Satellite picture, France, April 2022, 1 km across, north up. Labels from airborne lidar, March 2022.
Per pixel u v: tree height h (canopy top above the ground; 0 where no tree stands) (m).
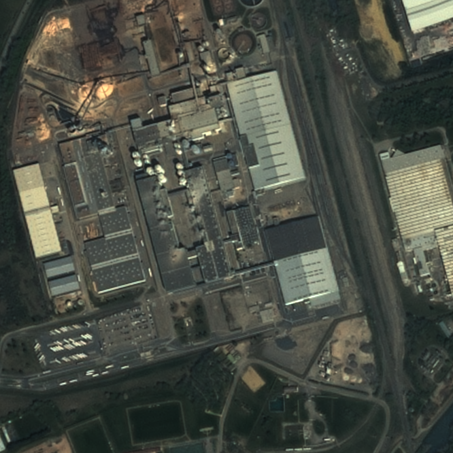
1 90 25
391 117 8
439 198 0
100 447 0
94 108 0
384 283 0
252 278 0
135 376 0
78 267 0
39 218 0
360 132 0
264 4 0
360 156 0
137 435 0
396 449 0
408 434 0
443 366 0
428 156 0
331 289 0
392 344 0
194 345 0
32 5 0
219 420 0
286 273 0
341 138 0
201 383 27
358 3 0
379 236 0
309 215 0
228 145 0
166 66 0
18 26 0
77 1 0
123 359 0
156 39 0
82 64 0
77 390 0
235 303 0
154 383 0
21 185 0
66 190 0
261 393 0
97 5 0
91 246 0
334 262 0
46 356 0
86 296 0
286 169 0
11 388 0
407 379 0
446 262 0
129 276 0
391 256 0
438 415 0
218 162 0
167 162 0
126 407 0
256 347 0
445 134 0
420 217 0
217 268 0
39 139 0
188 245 0
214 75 0
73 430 0
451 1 0
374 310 0
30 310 0
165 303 0
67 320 0
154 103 0
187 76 0
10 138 0
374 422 0
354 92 0
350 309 0
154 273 0
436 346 0
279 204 0
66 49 0
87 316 0
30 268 0
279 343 0
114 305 0
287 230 0
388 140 0
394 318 0
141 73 10
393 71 0
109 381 0
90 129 8
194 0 0
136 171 0
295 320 0
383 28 0
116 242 0
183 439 0
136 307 0
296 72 0
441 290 0
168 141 0
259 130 0
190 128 0
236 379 0
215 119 0
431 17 0
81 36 0
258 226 0
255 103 0
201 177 0
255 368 0
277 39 0
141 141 0
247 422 0
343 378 0
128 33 0
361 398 0
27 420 0
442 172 0
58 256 0
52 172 0
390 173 0
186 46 0
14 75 7
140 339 0
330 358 0
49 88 0
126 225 0
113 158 0
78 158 0
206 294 0
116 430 0
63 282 0
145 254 0
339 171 0
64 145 0
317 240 0
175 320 9
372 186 0
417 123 9
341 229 0
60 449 0
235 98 0
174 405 0
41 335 0
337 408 0
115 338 0
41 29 0
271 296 0
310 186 0
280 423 0
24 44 11
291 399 0
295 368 0
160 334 0
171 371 0
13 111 0
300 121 0
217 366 24
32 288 0
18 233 0
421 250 0
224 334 0
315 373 0
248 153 0
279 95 0
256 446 0
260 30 0
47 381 0
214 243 0
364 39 0
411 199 0
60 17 0
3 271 0
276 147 0
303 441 0
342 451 0
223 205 0
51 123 0
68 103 0
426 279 0
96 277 0
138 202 0
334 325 0
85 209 0
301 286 0
